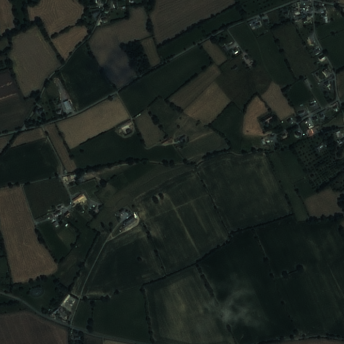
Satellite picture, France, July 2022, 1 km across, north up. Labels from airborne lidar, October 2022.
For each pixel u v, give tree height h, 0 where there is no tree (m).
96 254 0
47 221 0
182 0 0
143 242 0
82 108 0
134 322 0
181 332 0
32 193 0
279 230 0
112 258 0
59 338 0
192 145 0
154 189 0
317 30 0
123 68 0
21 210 0
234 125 0
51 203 0
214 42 14
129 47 14
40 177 0
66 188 0
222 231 0
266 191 0
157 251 14
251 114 0
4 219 0
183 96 0
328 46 0
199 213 0
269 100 0
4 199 0
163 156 0
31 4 15
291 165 0
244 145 0
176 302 0
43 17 0
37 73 0
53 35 10
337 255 0
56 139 0
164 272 6
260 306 0
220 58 0
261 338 0
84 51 0
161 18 0
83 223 0
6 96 0
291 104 13
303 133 7
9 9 0
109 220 0
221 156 0
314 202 0
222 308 0
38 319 0
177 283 0
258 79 0
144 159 9
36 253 0
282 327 0
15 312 0
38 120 8
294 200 0
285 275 17
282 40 0
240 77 0
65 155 0
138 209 0
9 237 0
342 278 0
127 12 9
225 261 0
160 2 0
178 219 0
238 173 0
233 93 0
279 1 0
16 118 0
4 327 0
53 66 0
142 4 7
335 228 0
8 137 0
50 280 0
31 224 0
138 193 0
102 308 0
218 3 0
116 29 0
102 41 0
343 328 0
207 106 0
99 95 0
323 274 0
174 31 0
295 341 0
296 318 0
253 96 7
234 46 0
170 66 0
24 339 0
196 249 0
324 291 0
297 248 0
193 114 0
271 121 14
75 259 0
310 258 0
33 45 0
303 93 0
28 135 0
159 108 0
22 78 0
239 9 15
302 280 0
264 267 0
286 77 0
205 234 0
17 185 13
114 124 0
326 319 0
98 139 0
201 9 0
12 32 13
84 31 0
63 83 9
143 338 0
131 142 0
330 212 0
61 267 0
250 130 0
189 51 0
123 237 0
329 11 0
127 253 0
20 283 6
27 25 18
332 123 0
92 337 0
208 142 0
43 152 0
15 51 0
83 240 0
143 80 0
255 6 0
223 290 0
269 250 0
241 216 0
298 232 0
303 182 0
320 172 6
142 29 0
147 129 0
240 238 0
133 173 0
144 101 0
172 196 0
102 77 0
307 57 0
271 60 0
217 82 0
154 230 0
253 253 0
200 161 0
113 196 0
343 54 0
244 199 0
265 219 0
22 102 0
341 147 7
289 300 0
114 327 0
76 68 0
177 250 0
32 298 0
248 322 0
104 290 0
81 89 0
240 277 0
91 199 0
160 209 0
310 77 0
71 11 0
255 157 0
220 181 0
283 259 0
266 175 0
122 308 0
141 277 0
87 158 0
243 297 0
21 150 0
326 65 8
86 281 0
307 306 0
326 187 19
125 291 0
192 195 0
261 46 0
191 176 0
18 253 0
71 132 0
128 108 0
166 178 0
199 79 0
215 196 0
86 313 0
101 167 9
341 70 12
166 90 0
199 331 0
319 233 0
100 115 0
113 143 0
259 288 0
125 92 0
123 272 0
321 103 0
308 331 0
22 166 0
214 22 0
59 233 0
